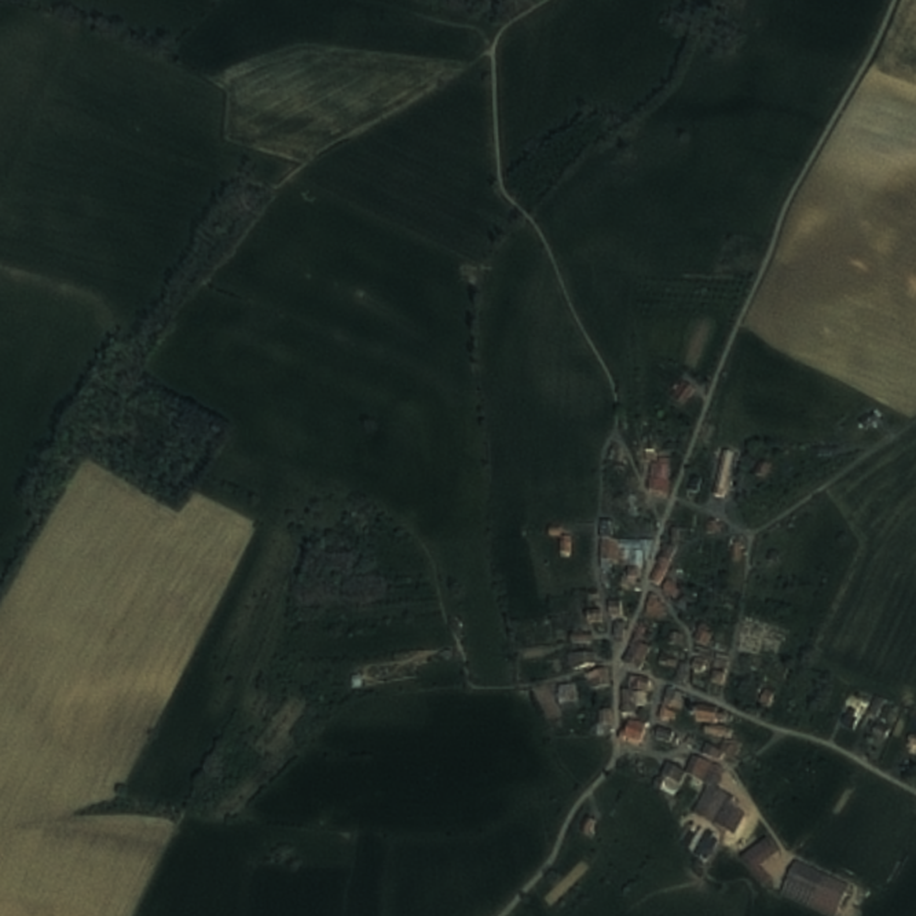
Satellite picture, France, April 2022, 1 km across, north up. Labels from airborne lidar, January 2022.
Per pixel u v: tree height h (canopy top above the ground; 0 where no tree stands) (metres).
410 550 0
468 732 0
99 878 0
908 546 0
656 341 0
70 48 0
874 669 0
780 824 0
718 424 0
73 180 0
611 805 0
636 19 0
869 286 0
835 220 0
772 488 5
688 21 19
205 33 0
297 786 0
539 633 0
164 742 0
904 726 0
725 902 0
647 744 0
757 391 0
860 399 0
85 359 0
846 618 0
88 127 0
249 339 0
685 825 0
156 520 0
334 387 0
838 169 0
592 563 0
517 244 0
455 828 0
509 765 0
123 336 10
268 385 0
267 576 0
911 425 0
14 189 0
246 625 0
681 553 0
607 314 0
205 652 0
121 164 0
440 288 0
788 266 0
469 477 0
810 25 0
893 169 0
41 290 0
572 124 8
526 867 0
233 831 0
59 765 0
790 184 0
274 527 0
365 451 0
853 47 0
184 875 0
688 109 0
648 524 0
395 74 0
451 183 0
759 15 0
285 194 0
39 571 0
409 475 0
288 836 0
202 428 18
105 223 0
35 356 0
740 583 0
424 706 0
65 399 0
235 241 16
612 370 0
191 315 0
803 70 0
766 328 0
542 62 0
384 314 0
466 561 0
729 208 0
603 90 0
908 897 0
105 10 0
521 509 0
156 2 0
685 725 0
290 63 0
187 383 0
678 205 0
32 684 0
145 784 0
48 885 0
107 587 0
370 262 0
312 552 20
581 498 0
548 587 0
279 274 0
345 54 0
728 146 0
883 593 0
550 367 0
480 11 18
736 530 0
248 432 0
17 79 0
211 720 0
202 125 0
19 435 0
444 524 0
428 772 0
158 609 0
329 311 0
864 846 0
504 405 0
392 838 0
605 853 0
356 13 0
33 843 0
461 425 0
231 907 0
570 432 0
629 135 19
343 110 0
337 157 0
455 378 0
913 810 0
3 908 0
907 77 0
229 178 0
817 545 0
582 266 0
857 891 0
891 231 0
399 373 0
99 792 0
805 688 0
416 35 0
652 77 0
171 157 0
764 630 0
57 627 0
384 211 0
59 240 0
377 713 0
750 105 0
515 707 0
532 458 0
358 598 19
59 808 0
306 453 0
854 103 0
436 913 0
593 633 0
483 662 0
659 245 0
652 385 0
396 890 0
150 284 0
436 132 0
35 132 0
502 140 0
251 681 0
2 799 0
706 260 0
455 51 0
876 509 0
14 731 0
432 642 0
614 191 0
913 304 0
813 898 0
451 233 0
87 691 0
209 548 0
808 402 0
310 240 0
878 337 0
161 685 0
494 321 0
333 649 0
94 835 0
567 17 0
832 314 0
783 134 0
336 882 0
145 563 0
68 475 13
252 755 8
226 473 0
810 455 0
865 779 0
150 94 0
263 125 0
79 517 0
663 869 0
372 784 0
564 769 0
